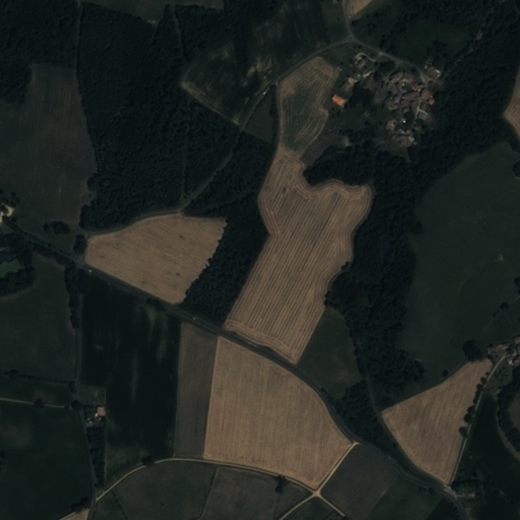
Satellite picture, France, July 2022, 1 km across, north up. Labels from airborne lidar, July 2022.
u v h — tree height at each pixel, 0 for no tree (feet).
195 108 65
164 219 0
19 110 0
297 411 0
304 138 0
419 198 65
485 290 0
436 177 59
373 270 59
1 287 73
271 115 27
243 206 38
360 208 0
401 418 0
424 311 0
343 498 0
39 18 88
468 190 0
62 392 0
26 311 0
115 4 0
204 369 0
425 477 0
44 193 0
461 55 34
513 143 47
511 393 42
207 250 0
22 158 0
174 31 56
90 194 23
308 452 0
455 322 0
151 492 0
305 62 0
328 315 0
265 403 0
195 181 69
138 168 58
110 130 63
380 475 0
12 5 78
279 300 0
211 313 42
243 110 0
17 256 29
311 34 0
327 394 45
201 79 0
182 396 0
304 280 0
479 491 43
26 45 67
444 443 0
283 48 0
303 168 0
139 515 0
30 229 0
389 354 27
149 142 73
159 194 56
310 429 0
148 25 34
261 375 0
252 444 0
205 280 65
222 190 80
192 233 0
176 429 0
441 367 0
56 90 0
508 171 0
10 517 0
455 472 0
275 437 0
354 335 50
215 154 22
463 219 0
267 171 18
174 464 0
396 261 48
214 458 0
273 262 0
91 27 29
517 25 66
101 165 32
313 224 0
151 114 94
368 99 50
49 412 0
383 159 71
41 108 0
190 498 0
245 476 0
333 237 0
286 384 0
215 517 0
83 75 30
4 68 44
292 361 0
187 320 0
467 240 0
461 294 0
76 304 69
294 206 0
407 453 0
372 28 27
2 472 24
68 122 0
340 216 0
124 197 52
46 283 0
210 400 0
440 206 0
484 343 0
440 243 0
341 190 0
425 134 39
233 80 0
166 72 43
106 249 0
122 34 38
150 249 0
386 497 0
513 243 0
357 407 20
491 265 0
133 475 0
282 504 0
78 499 0
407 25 40
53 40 59
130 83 41
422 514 0
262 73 0
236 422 0
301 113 0
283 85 0
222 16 56
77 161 0
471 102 97
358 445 0
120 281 0
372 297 35
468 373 0
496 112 53
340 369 0
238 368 0
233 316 0
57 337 0
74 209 0
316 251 0
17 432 0
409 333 0
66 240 0
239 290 60
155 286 0
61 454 0
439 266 0
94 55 34
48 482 0
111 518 0
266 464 0
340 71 0
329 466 0
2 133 0
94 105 42
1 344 0
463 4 53
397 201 95
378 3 0
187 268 0
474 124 77
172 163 57
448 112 49
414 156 82
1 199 53
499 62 85
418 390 0
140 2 0
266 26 0
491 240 0
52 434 0
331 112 19
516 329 0
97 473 34
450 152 80
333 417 0
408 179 116
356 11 0
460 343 0
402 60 0
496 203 0
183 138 36
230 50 0
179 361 0
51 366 0
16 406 0
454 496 0
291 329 0
